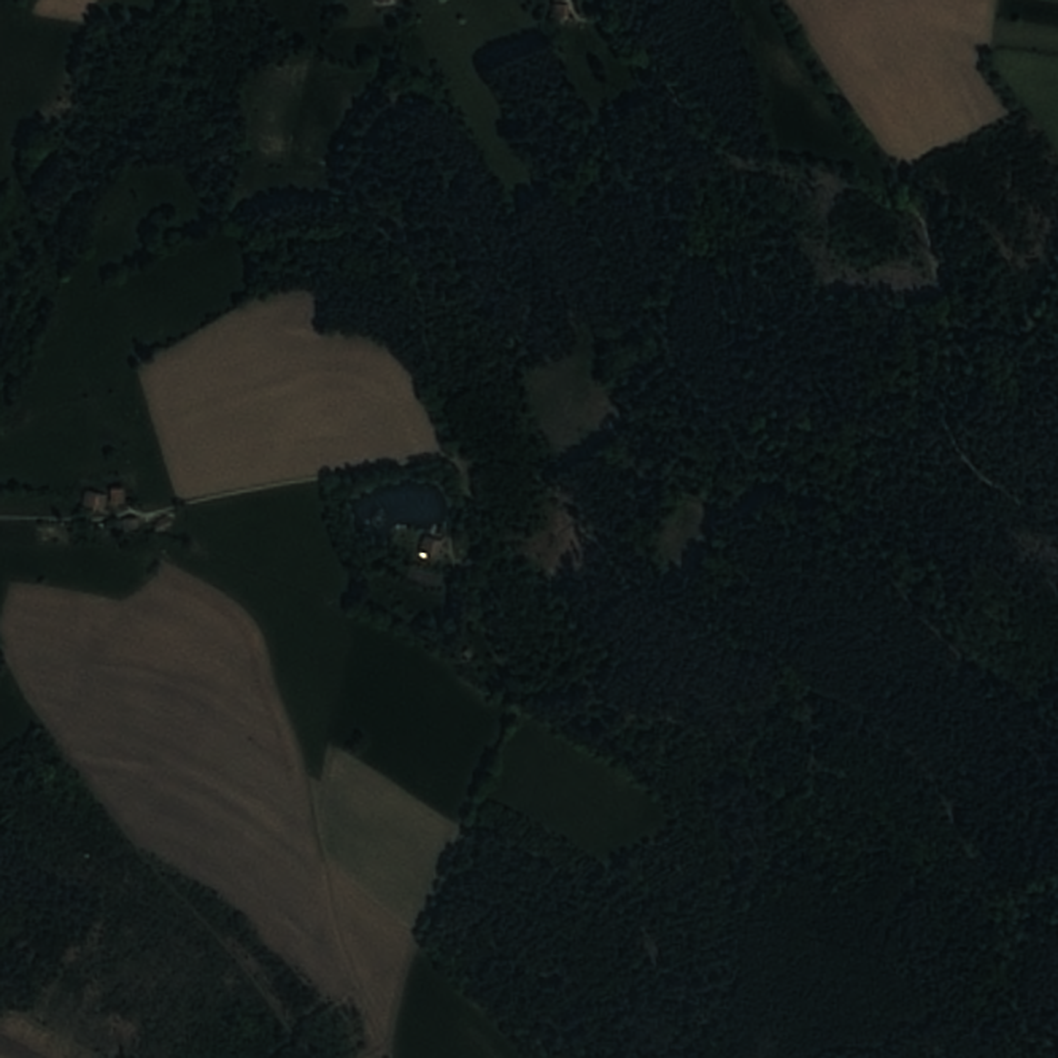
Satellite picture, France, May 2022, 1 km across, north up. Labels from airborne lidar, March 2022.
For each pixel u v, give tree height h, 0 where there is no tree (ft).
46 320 60
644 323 107
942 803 45
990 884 66
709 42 67
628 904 45
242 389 0
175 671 0
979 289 73
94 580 0
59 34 0
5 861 72
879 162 63
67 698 0
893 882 53
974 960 70
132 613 0
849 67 0
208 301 0
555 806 0
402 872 0
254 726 0
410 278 74
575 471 74
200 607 0
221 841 0
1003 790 91
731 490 56
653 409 78
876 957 47
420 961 0
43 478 0
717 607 80
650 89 61
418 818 0
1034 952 76
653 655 93
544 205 77
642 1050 61
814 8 0
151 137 79
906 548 58
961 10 0
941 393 71
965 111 0
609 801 0
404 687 0
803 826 43
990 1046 58
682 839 35
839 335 97
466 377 27
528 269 80
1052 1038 53
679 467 88
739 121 70
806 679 67
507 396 24
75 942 33
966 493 49
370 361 0
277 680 0
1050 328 37
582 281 101
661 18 74
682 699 90
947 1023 71
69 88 25
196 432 0
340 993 0
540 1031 71
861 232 26
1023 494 61
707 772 34
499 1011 61
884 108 0
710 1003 97
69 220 72
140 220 0
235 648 0
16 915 38
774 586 73
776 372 99
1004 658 22
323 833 0
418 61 0
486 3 0
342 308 73
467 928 63
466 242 92
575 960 48
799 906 44
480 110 0
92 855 22
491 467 46
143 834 0
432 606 0
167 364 0
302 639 0
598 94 0
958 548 92
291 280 61
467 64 0
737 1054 57
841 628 76
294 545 0
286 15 0
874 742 50
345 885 0
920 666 79
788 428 94
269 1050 32
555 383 0
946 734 73
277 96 0
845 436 71
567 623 72
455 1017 0
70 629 0
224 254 0
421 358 79
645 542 77
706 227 42
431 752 0
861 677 78
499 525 26
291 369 0
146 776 0
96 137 23
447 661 47
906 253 66
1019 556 80
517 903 69
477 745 0
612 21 81
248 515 0
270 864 0
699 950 47
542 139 105
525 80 96
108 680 0
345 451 0
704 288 91
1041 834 44
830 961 47
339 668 0
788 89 0
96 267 0
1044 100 0
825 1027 54
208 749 0
